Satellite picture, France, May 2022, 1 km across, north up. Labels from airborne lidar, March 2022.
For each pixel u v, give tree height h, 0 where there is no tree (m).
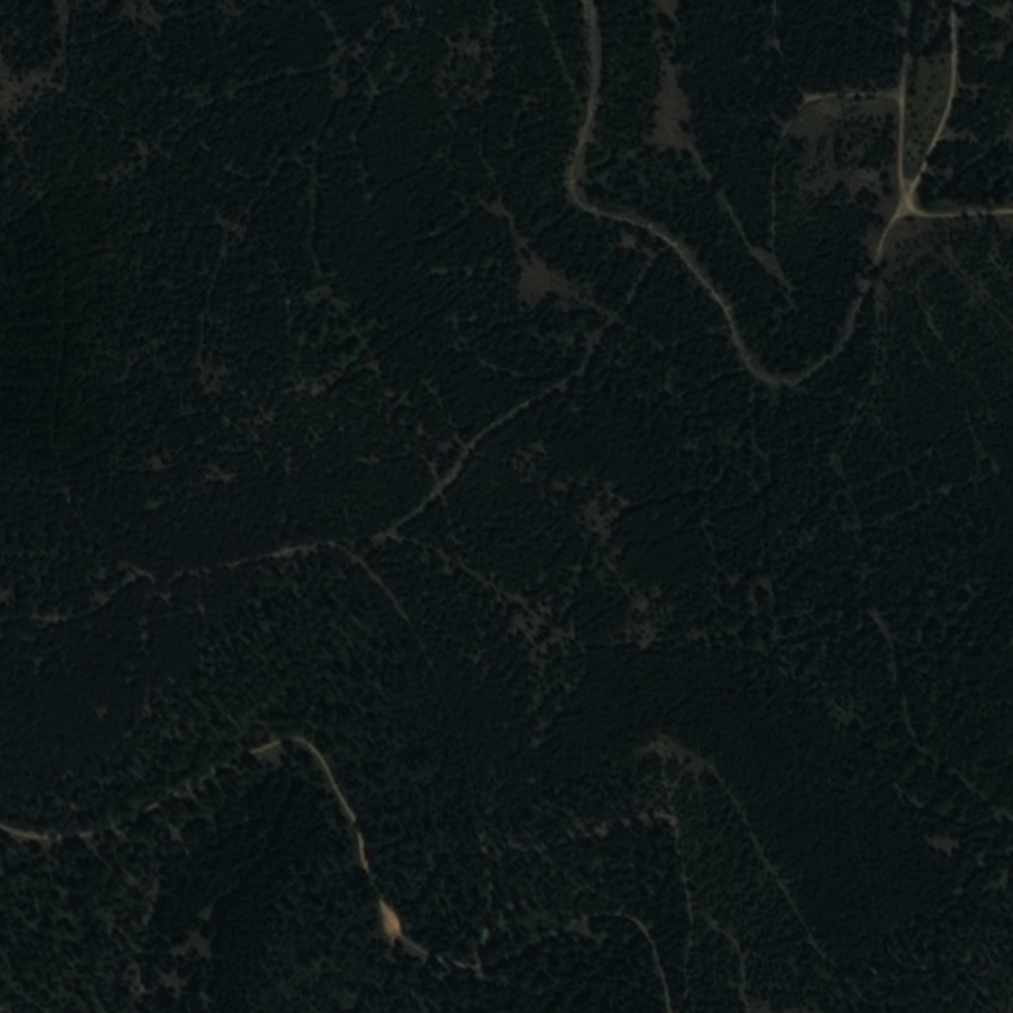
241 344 9
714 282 9
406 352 15
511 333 10
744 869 9
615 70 9
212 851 23
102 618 10
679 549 13
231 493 9
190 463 10
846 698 11
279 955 33
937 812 18
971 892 12
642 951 13
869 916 14
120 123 9
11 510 8
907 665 8
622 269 16
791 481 14
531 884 32
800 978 6
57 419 6
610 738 13
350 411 10
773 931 9
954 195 17
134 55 12
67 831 31
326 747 23
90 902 30
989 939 7
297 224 10
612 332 12
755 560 13
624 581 5
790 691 11
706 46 7
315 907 26
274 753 0
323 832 19
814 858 9
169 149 11
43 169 8
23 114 8
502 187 9
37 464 8
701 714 13
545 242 10
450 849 12
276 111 12
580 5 8
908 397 7
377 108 10
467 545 8
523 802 9
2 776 10
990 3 6
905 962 31
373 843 31
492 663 8
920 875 14
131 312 8
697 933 6
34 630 8
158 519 9
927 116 0
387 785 28
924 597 22
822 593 12
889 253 0
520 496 11
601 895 10
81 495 10
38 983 24
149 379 7
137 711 9
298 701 33
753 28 8
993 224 6
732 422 14
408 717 10
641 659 10
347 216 11
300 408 7
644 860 24
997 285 6
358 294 11
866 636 23
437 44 8
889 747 13
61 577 10
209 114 10
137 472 8
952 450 10
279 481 9
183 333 9
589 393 9
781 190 12
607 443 13
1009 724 15
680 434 13
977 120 11
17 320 8
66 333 8
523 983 26
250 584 9
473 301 12
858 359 8
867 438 9
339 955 30
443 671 8
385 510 9
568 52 12
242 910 22
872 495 12
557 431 13
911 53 8
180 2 10
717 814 7
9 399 10
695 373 11
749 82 11
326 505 7
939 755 16
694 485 11
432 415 10
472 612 10
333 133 11
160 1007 30
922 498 11
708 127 7
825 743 12
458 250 8
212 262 11
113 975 32
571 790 30
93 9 11
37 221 10
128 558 8
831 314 10
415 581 10
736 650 11
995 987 15
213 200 10
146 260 8
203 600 10
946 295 7
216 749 20
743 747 11
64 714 11
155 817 9
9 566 9
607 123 11
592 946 19
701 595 13
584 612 11
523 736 7
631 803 32
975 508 9
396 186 13
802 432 13
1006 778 15
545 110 7
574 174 0
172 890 17
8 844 29
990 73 11
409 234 11
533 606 9
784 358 13
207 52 12
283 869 21
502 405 10
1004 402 8
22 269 12
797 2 20
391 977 29
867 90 19
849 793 10
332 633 32
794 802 13
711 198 11
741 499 14
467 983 18
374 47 8
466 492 10
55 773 9
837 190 7
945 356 7
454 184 10
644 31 9
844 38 21
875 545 9
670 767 7
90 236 6
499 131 8
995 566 11
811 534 8
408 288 13
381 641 7
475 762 7
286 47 12
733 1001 10
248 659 28
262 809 23
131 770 33
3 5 10
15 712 9
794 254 7
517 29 7
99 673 11
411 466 8
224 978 20
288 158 11
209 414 9
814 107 0
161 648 11
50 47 10
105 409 8
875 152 8
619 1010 12
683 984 10
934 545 10
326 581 9
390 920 0
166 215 8
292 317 8
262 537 8
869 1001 33
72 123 7
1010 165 8
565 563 13
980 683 17
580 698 11
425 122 9
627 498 11
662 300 13
